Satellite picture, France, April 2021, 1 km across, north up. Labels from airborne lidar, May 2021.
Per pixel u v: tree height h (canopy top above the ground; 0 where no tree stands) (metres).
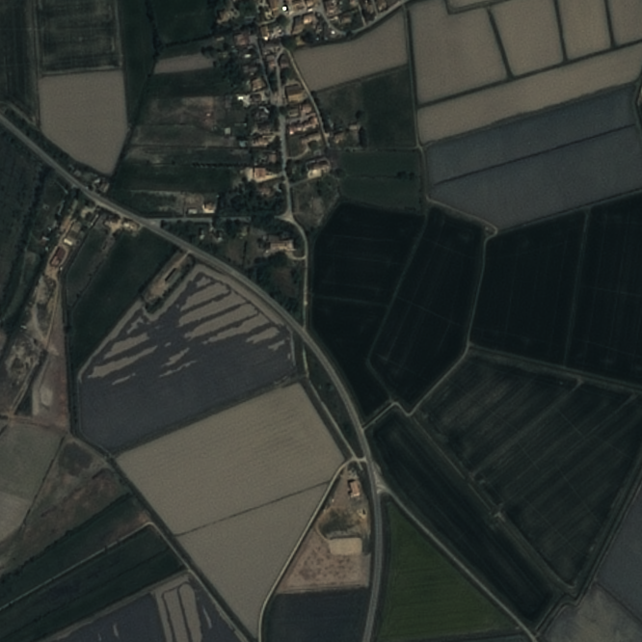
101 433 0
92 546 0
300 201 0
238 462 0
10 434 0
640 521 0
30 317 0
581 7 0
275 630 0
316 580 0
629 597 0
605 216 0
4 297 6
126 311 0
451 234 0
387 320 0
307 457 0
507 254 0
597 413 0
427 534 0
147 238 0
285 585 0
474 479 0
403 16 0
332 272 0
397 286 0
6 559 0
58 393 0
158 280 0
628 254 0
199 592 0
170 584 0
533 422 0
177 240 0
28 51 0
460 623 0
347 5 0
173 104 0
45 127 0
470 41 0
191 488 0
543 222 0
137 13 0
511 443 0
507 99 0
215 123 0
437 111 0
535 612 0
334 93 0
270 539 0
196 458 0
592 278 0
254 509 0
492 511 0
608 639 0
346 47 0
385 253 0
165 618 0
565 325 0
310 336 0
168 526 0
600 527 0
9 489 0
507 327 0
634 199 0
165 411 0
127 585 0
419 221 0
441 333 0
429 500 0
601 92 0
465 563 0
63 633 0
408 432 0
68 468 0
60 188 6
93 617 0
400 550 0
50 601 0
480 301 0
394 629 0
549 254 0
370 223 0
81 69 0
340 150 6
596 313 0
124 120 0
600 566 0
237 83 7
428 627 0
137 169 0
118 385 0
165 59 0
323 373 0
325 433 0
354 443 0
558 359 0
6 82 0
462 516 0
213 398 0
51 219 0
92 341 0
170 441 0
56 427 0
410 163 0
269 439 0
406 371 0
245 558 0
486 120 0
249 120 9
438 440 0
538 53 0
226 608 0
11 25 0
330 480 0
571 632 0
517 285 0
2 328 6
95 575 0
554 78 0
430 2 0
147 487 0
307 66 0
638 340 0
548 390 0
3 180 0
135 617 0
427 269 0
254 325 0
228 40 0
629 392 0
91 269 0
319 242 0
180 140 0
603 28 0
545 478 0
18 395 0
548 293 0
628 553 0
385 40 0
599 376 0
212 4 10
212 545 0
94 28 0
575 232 0
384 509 0
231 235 10
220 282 0
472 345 0
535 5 0
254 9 17
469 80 0
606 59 0
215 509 0
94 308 0
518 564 0
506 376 0
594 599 0
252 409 0
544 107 0
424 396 0
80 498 0
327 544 0
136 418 0
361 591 0
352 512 0
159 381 0
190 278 0
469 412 0
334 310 0
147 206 0
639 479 0
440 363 0
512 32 0
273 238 0
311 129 7
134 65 0
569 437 0
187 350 0
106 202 0
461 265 0
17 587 0
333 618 0
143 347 0
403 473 0
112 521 0
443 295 0
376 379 0
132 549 0
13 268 7
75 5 0
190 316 0
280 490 0
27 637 0
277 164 8
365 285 0
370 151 0
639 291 0
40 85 0
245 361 0
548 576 0
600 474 0
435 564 0
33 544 0
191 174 0
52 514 0
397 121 0
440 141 0
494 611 0
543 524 0
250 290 0
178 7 0
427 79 0
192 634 0
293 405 0
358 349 0
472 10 0
